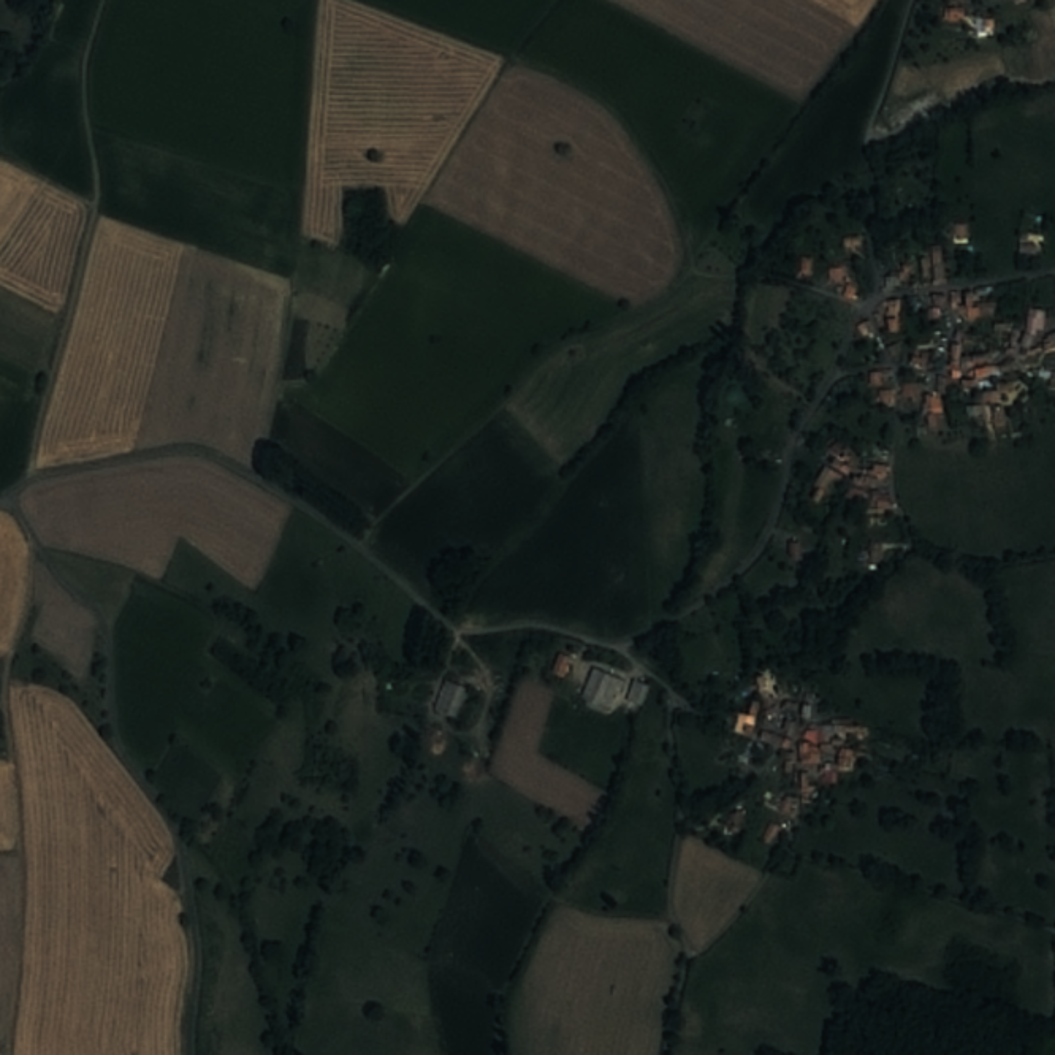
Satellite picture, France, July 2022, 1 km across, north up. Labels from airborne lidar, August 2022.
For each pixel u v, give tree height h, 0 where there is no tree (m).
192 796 0
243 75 0
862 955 0
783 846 8
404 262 0
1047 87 11
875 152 15
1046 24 0
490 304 0
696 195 0
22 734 0
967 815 20
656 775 0
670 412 0
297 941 0
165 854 0
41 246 0
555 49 0
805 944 0
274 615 0
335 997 0
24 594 0
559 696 0
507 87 0
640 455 0
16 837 0
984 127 0
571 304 0
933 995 18
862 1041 16
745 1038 0
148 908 0
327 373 0
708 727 15
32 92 0
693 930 0
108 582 0
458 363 0
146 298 0
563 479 10
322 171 0
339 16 0
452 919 0
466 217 0
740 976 0
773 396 0
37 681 8
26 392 0
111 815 0
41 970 0
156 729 0
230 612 7
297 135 0
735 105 0
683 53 0
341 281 0
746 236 10
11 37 7
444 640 29
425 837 0
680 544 0
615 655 6
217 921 0
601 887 0
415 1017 0
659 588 0
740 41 0
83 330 0
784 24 0
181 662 0
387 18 0
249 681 6
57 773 0
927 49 9
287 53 0
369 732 0
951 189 0
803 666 9
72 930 0
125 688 0
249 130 0
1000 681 0
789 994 0
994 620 13
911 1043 18
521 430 0
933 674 18
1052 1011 0
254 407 0
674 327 0
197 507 0
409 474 0
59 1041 0
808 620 17
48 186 0
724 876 0
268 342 0
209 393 0
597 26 0
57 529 0
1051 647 0
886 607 0
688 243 0
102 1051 0
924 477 0
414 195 0
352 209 15
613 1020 0
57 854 0
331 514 28
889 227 18
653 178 0
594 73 0
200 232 0
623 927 0
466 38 0
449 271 0
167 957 0
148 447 0
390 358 0
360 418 0
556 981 0
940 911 0
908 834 20
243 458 0
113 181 0
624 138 0
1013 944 0
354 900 0
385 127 0
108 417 0
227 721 0
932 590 0
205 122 0
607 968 0
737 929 0
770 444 0
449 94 0
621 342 0
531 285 0
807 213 20
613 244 0
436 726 0
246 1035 0
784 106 0
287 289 0
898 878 16
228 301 0
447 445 0
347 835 14
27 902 0
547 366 0
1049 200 0
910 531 8
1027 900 0
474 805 0
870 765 11
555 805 0
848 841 0
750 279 14
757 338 0
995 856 0
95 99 0
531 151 0
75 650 0
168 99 0
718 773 0
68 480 0
